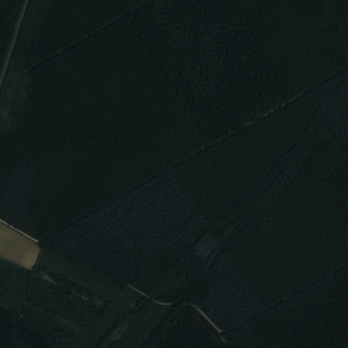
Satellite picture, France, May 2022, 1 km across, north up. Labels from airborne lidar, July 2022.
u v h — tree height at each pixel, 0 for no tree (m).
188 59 27
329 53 10
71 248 23
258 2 18
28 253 0
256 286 17
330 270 16
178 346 0
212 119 33
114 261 24
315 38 17
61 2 20
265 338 23
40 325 19
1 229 0
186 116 19
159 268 15
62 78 22
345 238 15
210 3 23
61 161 17
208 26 27
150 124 21
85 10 21
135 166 18
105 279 0
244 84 33
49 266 0
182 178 20
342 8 15
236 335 23
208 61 24
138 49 22
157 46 29
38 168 19
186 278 21
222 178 18
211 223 21
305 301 24
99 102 18
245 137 18
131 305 0
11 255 0
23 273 0
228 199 18
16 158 19
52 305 16
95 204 21
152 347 26
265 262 16
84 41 16
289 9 18
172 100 20
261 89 28
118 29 23
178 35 24
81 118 22
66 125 21
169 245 24
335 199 17
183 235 31
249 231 21
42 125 21
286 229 15
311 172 7
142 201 27
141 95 23
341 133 28
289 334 27
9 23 20
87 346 0
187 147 19
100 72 20
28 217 22
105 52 19
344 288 28
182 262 21
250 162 17
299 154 20
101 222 27
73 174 16
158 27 26
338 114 30
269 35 17
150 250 25
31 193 19
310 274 15
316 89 27
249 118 24
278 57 18
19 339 0
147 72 23
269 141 18
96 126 18
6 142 21
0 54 28
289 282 17
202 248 0
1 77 0
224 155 17
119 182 20
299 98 13
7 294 0
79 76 21
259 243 17
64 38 19
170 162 19
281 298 20
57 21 17
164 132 20
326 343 29
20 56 8
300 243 17
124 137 21
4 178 22
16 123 20
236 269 24
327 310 28
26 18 14
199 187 18
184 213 32
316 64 17
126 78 19
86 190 20
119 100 18
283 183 21
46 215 18
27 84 18
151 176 16
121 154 20
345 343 30
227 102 31
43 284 26
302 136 21
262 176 21
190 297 13
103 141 22
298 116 19
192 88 30
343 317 27
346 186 20
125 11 19
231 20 31
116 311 0
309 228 15
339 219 20
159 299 14
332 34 8
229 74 33
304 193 15
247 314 31
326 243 14
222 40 30
